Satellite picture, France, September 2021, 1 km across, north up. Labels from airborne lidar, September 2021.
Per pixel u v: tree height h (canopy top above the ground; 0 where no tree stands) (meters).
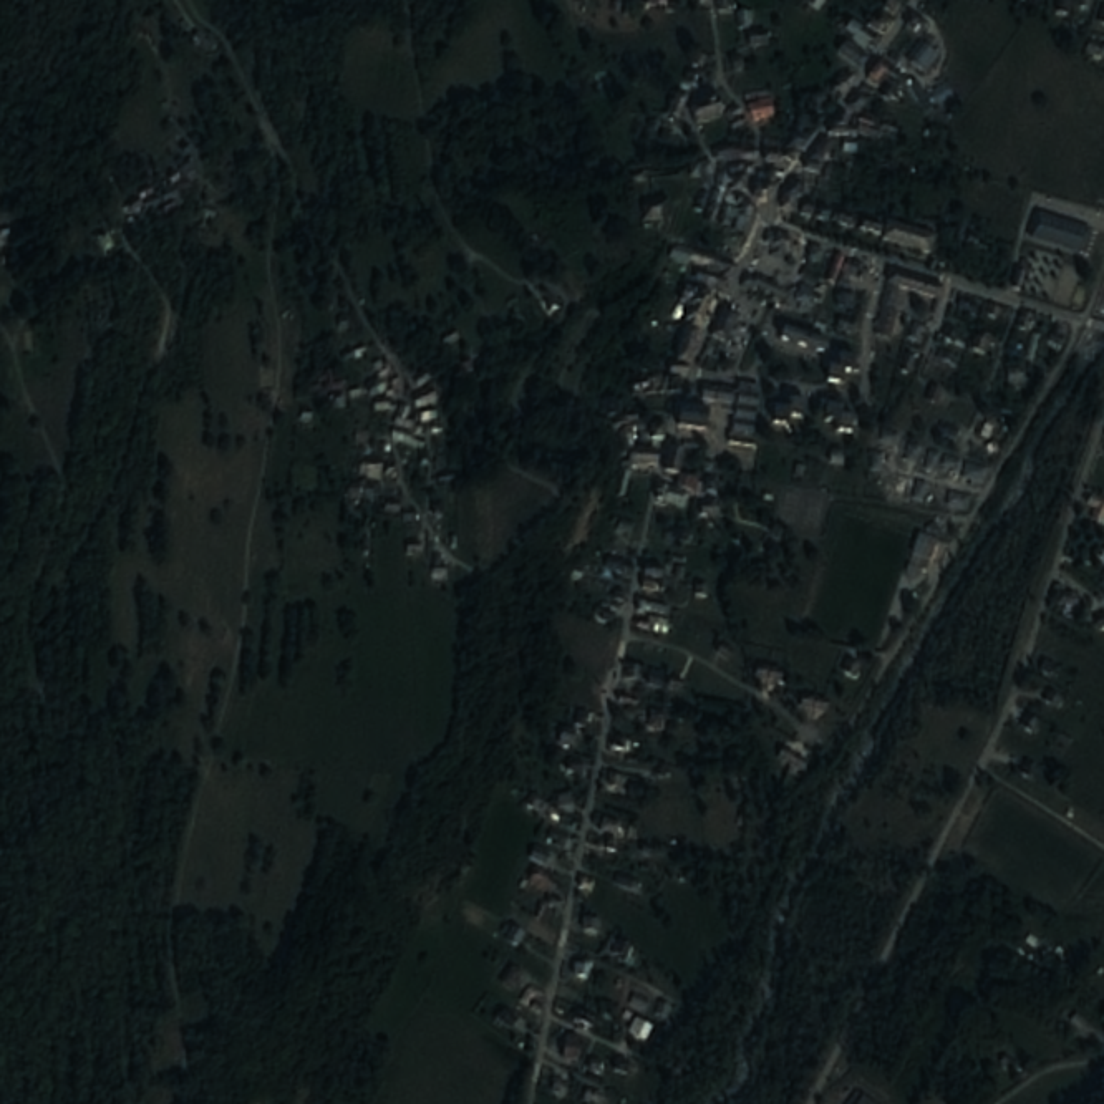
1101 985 0
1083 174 0
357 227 14
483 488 11
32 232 21
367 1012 8
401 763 0
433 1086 0
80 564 23
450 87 0
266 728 0
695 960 0
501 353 22
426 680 0
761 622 0
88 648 23
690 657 0
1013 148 0
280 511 7
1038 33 0
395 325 12
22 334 0
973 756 0
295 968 24
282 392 0
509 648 28
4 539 22
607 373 11
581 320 16
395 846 14
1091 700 0
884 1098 0
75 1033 17
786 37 0
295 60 20
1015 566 11
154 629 14
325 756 0
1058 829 0
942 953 15
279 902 0
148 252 13
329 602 0
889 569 0
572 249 0
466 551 0
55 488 19
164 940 11
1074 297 0
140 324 7
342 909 15
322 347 11
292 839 0
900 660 8
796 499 0
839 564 0
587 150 21
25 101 26
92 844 23
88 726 16
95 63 24
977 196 0
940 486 0
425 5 23
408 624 0
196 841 0
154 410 20
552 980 0
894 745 10
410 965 0
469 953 0
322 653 0
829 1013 14
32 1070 24
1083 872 0
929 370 0
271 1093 16
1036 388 15
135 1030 19
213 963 17
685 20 0
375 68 0
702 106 0
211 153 14
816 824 8
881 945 7
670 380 11
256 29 18
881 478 0
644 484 0
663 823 0
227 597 0
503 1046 0
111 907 23
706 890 12
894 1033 16
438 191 17
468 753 15
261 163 16
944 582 10
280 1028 22
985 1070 15
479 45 0
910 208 14
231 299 20
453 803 11
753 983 9
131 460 12
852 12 0
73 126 22
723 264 0
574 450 6
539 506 0
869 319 0
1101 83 0
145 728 21
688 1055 21
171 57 17
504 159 22
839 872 9
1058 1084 0
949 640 15
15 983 21
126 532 19
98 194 22
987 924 11
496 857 0
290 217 14
